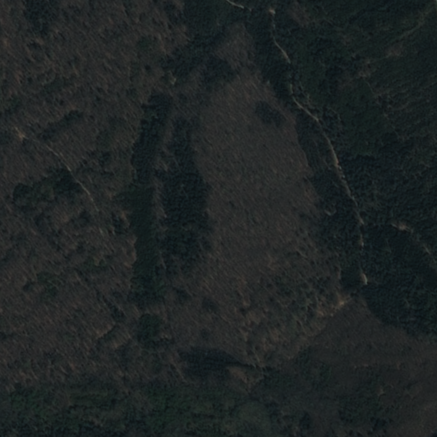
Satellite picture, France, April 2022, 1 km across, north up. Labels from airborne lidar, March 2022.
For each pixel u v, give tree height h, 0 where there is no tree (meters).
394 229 15
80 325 25
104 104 17
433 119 7
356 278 8
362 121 11
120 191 14
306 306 21
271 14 13
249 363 9
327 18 13
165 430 24
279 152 21
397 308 14
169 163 19
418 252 14
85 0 25
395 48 17
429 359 12
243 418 29
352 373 10
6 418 24
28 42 23
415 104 6
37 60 20
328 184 22
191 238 6
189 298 20
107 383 29
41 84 19
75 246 28
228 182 23
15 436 26
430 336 23
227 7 11
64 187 10
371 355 14
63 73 23
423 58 6
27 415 21
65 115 18
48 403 19
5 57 22
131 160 17
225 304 22
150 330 15
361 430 9
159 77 18
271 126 24
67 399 14
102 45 23
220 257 21
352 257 16
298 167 22
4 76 17
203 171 19
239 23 19
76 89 17
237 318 20
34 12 20
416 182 10
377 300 18
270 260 19
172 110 30
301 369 10
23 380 23
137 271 7
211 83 22
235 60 16
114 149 20
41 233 25
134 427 27
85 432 33
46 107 23
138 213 9
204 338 18
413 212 21
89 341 23
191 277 18
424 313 11
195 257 20
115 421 13
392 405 6
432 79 7
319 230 23
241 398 25
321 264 13
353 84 15
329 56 14
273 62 18
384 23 6
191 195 24
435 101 6
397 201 8
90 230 25
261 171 23
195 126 20
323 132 16
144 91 16
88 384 24
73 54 22
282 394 12
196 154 22
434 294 14
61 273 22
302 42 12
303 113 11
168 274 15
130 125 20
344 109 12
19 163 27
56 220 25
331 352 9
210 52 19
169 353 27
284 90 20
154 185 26
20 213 24
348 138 24
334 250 16
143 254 12
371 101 11
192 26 24
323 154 23
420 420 11
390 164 9
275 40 13
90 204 23
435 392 10
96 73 23
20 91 25
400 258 15
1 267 25
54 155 23
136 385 19
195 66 21
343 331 11
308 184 26
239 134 23
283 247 18
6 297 25
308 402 20
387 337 11
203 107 15
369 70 17
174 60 20
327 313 14
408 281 17
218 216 23
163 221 21
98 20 27
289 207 21
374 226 18
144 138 13
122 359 28
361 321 12
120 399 21
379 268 24
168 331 24
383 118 12
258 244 23
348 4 8
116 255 27
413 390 16
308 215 15
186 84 22
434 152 14
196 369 21
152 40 19
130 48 19
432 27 7
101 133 24
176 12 32
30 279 17
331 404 17
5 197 20
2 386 21
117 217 24
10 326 21
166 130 32
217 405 26
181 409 13
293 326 28
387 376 11
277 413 15
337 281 24
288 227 24
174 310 23
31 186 20
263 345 16
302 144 21
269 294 14
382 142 12
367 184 12
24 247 26
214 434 18
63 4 23
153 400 14
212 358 22
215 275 23
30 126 25
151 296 29
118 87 24
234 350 22
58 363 26
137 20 28
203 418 14
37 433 9
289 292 7
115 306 25
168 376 19
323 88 13
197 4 21
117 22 24
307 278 12
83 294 25
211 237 23
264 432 25
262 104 23
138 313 28
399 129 6
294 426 13
